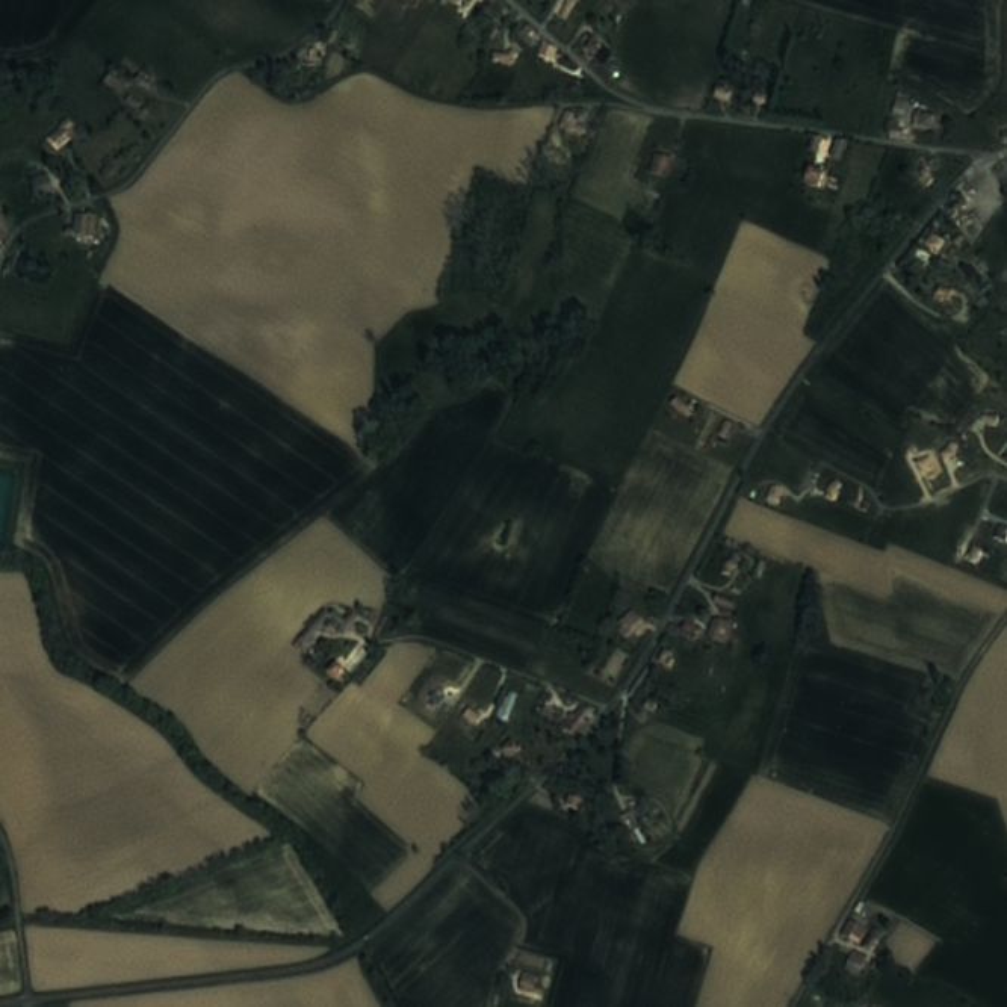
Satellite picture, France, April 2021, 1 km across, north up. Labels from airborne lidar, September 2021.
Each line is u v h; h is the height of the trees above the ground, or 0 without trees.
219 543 0
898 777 0
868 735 0
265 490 0
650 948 0
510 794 21
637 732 0
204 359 0
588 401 0
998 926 0
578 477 0
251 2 0
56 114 17
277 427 0
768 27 0
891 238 6
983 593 0
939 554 0
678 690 6
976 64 0
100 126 0
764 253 0
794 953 0
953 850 0
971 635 0
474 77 0
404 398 31
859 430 0
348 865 0
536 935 0
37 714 0
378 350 20
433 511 0
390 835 0
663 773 0
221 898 0
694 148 0
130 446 0
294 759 0
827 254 6
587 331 22
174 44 0
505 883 0
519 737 0
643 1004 0
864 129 5
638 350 0
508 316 0
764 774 0
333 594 0
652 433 0
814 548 0
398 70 0
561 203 7
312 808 0
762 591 0
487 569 0
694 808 0
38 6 0
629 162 0
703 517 0
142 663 0
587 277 0
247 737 0
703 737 0
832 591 0
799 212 0
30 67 10
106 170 9
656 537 0
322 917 0
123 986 0
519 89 0
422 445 0
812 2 0
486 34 7
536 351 28
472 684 0
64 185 9
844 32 0
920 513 0
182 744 11
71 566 0
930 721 0
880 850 0
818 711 0
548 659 0
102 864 0
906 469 0
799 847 0
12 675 0
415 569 0
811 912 0
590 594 0
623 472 0
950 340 0
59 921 9
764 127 0
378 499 0
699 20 0
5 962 0
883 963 12
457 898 0
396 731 0
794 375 0
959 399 0
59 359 0
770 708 0
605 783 9
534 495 0
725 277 0
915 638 0
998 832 0
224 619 0
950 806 0
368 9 0
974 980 0
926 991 0
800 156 0
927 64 0
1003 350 7
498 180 7
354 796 0
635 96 0
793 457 0
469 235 27
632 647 7
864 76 0
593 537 0
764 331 0
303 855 10
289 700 0
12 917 15
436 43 0
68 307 0
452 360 29
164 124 5
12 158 0
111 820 0
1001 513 0
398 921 0
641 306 0
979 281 7
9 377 0
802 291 0
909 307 0
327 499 0
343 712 0
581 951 0
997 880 0
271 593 0
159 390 0
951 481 0
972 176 0
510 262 23
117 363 0
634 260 0
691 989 0
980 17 0
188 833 0
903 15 0
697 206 0
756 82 11
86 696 0
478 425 0
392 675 0
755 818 0
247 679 0
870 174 0
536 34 6
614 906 0
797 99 0
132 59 0
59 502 0
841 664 0
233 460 0
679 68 0
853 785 0
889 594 0
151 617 0
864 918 0
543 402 15
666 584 0
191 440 0
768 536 0
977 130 0
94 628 0
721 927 0
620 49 0
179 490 0
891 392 0
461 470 0
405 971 0
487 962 0
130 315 0
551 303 0
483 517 0
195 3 0
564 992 0
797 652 0
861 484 0
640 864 0
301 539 0
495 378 27
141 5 0
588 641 12
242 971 0
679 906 0
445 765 7
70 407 0
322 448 0
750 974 0
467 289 6
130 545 0
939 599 0
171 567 0
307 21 0
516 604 0
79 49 0
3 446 0
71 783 0
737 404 0
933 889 0
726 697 0
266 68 11
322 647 8
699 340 0
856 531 0
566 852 0
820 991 7
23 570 14
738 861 0
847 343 0
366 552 0
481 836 0
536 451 7
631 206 0
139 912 0
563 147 0
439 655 0
